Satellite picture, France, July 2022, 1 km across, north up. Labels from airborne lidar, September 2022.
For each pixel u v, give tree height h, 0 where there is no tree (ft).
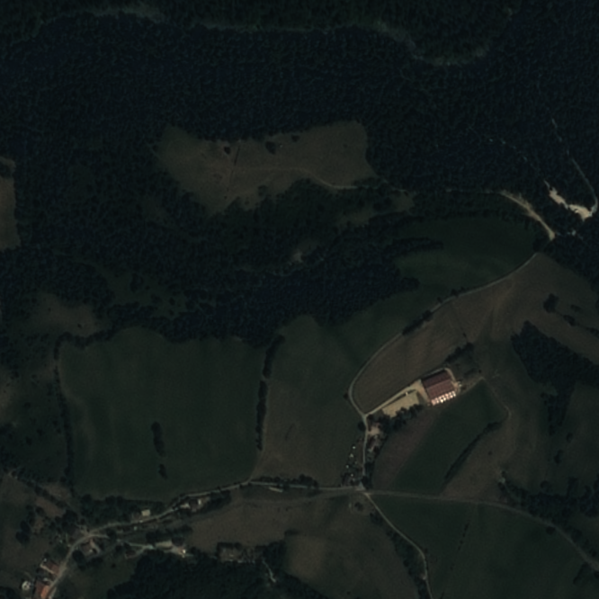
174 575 58
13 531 0
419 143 73
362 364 0
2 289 46
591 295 0
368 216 0
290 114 91
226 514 0
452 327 0
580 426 0
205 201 0
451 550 0
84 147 40
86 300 35
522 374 0
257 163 0
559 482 0
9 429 20
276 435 0
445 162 99
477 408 0
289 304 63
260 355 0
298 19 94
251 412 0
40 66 65
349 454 0
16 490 0
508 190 43
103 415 0
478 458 0
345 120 25
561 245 67
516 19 0
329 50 62
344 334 0
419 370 0
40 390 0
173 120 52
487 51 0
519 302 0
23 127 40
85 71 68
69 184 36
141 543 0
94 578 0
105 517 42
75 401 0
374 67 52
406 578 0
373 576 0
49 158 81
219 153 0
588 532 0
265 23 79
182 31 62
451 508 0
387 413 0
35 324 0
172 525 0
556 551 0
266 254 62
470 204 72
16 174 48
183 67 108
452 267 0
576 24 72
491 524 0
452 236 0
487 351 0
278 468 0
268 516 0
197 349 0
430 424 0
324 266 46
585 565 34
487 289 0
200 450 0
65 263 39
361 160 0
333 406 0
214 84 104
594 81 83
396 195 31
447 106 69
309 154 0
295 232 47
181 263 56
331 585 0
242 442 0
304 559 0
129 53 53
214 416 0
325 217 36
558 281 0
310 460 0
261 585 45
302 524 0
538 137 68
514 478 0
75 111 32
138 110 50
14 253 22
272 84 83
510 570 0
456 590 0
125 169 24
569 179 50
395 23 124
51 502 42
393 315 0
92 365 0
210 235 62
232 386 0
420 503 0
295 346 0
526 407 0
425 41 107
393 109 83
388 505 0
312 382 0
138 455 0
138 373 0
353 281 93
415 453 0
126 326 23
